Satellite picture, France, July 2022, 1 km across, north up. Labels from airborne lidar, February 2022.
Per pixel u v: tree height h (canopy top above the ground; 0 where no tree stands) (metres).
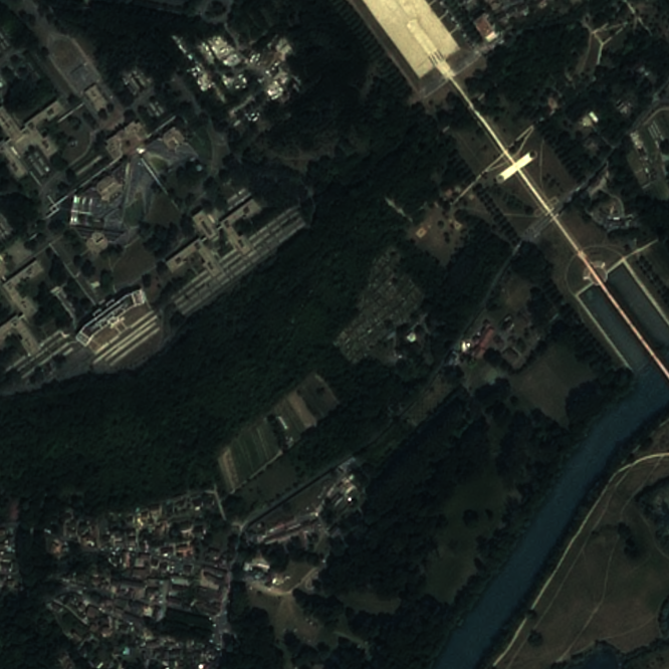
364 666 32
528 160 0
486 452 41
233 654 28
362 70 6
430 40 0
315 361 7
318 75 8
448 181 7
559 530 0
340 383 7
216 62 7
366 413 19
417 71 0
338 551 24
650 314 0
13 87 17
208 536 12
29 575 22
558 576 0
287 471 0
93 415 15
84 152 0
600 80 6
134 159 0
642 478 0
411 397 18
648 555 0
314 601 16
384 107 14
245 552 18
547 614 0
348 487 0
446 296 18
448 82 0
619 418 0
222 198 15
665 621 10
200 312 8
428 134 23
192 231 16
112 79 7
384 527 27
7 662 19
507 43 13
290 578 0
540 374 0
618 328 0
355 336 0
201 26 13
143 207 0
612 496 0
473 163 0
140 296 0
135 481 6
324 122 12
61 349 0
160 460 7
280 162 12
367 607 0
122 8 21
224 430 7
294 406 0
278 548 19
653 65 8
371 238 5
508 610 0
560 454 23
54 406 21
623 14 10
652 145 0
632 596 0
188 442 14
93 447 9
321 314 7
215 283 0
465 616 0
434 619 27
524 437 37
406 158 18
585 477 0
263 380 13
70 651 13
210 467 11
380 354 0
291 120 6
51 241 0
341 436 13
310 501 0
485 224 8
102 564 7
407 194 9
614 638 0
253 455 0
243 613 21
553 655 0
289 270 8
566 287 0
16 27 9
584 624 0
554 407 0
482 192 7
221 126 13
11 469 12
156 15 16
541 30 13
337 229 17
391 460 8
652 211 15
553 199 0
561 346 17
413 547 28
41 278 0
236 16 12
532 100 7
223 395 8
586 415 24
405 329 11
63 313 11
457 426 18
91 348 0
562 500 0
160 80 13
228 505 14
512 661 0
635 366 0
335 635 0
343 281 10
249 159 10
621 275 0
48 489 14
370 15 0
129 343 0
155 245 14
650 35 9
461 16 11
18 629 23
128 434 7
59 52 0
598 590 0
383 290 0
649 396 0
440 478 31
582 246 0
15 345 8
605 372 21
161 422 10
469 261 12
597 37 0
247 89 10
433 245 0
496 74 16
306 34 8
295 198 11
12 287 0
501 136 0
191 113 15
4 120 0
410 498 27
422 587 20
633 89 8
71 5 13
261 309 12
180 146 0
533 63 8
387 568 26
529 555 0
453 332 17
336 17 7
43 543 20
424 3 0
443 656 0
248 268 0
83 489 11
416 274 11
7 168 18
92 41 10
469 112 13
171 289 15
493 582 0
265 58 0
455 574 0
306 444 14
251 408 8
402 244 13
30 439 14
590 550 0
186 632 15
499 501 0
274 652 28
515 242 7
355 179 8
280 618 0
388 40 0
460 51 0
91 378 15
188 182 5
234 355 9
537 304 22
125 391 17
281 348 13
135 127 0
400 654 27
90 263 14
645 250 0
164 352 9
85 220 9
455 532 0
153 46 13
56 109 0
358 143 0
